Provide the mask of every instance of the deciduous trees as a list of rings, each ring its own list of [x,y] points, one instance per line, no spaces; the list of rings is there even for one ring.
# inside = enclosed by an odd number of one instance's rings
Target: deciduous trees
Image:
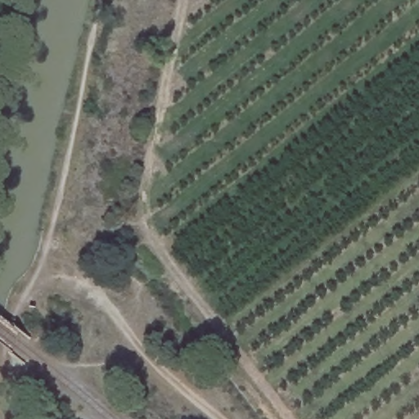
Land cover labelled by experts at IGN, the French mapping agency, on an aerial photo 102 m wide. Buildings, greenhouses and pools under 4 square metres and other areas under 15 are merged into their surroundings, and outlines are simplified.
[[[414,209],[414,213],[409,214],[408,218],[394,224],[390,232],[385,234],[386,244],[391,246],[393,237],[403,237],[404,231],[408,231],[412,228],[412,223],[419,221],[419,208]]]
[[[419,419],[419,396],[412,398],[403,408],[399,408],[394,419]]]
[[[61,295],[51,295],[47,298],[47,314],[72,314],[70,301],[62,300]]]
[[[368,280],[363,280],[349,295],[340,300],[342,311],[350,311],[352,304],[360,300],[360,296],[367,295],[372,286],[378,286],[390,278],[386,268],[380,268],[380,272],[373,273]]]
[[[149,288],[160,308],[164,309],[157,318],[164,322],[164,329],[152,334],[144,332],[144,339],[144,347],[149,357],[154,358],[159,365],[170,368],[172,372],[182,372],[188,385],[198,390],[219,388],[223,381],[229,380],[231,373],[239,365],[239,360],[232,358],[228,344],[221,342],[219,336],[214,334],[201,337],[198,342],[182,344],[183,334],[190,331],[191,327],[200,326],[206,319],[198,313],[191,300],[180,300],[175,291],[170,290],[162,278],[164,265],[160,264],[157,255],[149,246],[139,239],[136,229],[133,226],[123,226],[118,231],[98,231],[92,241],[80,249],[79,268],[82,272],[83,277],[90,278],[95,285],[105,288],[124,290],[131,285],[133,277],[141,280],[144,286]]]
[[[383,401],[390,401],[391,394],[399,393],[401,386],[408,385],[409,373],[404,373],[396,383],[391,383],[388,388],[381,391],[380,396],[372,399],[373,409],[380,408]]]
[[[360,363],[362,357],[367,357],[388,337],[394,336],[399,326],[408,324],[408,318],[404,314],[399,314],[391,319],[388,326],[381,327],[380,331],[375,332],[363,344],[362,349],[350,352],[347,357],[340,360],[339,365],[334,365],[319,380],[314,381],[313,388],[304,390],[304,403],[311,403],[313,398],[322,396],[326,388],[331,388],[332,383],[339,380],[340,373],[349,372],[352,365]]]
[[[198,8],[196,13],[187,16],[191,28],[185,29],[180,43],[173,43],[170,36],[152,36],[146,41],[137,36],[134,39],[134,49],[141,51],[142,59],[162,72],[164,65],[169,65],[182,75],[187,85],[173,92],[173,103],[165,111],[164,123],[157,123],[155,115],[151,119],[133,118],[129,124],[128,134],[131,134],[137,146],[146,147],[152,134],[170,131],[173,137],[172,141],[155,147],[155,154],[164,160],[167,175],[154,173],[151,191],[147,193],[149,200],[142,201],[139,196],[139,183],[144,165],[141,167],[134,164],[134,159],[129,155],[119,155],[113,162],[103,157],[100,162],[101,178],[97,183],[106,206],[137,196],[139,201],[136,214],[139,216],[152,209],[154,216],[149,219],[149,224],[152,224],[159,234],[164,234],[167,244],[172,247],[173,259],[177,260],[178,264],[185,265],[188,275],[195,278],[206,303],[216,311],[214,318],[226,318],[236,313],[237,309],[244,308],[247,303],[254,300],[259,291],[267,290],[273,282],[277,282],[283,272],[288,272],[291,267],[306,259],[309,252],[318,249],[319,244],[327,236],[344,229],[345,224],[375,203],[378,196],[390,191],[399,180],[409,177],[419,167],[419,0],[208,0],[205,7]]]
[[[381,376],[390,372],[398,360],[408,357],[412,349],[419,345],[419,334],[401,345],[394,354],[388,355],[383,362],[370,368],[367,375],[358,378],[349,388],[337,394],[326,408],[319,411],[321,419],[327,419],[342,409],[347,401],[354,401],[358,394],[370,390]]]
[[[290,381],[298,383],[300,376],[306,376],[308,368],[318,367],[319,363],[324,362],[336,350],[336,347],[344,345],[345,340],[352,339],[355,332],[362,331],[368,322],[375,321],[376,314],[380,314],[386,306],[398,300],[404,291],[411,290],[412,285],[419,283],[419,270],[412,273],[412,277],[404,278],[401,285],[393,286],[380,300],[373,303],[367,313],[357,316],[355,321],[347,322],[347,326],[337,332],[336,336],[329,337],[326,344],[319,347],[318,352],[308,355],[303,362],[298,363],[295,368],[290,368],[288,372]]]
[[[295,354],[296,350],[301,349],[303,342],[313,339],[314,334],[318,334],[322,327],[331,324],[331,311],[324,311],[321,318],[314,319],[309,326],[296,332],[296,336],[288,340],[285,347],[280,347],[280,350],[262,360],[267,363],[268,370],[280,367],[283,358]]]
[[[65,355],[69,362],[79,360],[83,347],[82,334],[70,334],[67,327],[61,327],[57,331],[43,331],[41,322],[44,316],[38,311],[23,311],[18,314],[18,318],[23,322],[21,329],[28,336],[38,336],[47,354]]]
[[[247,316],[239,319],[237,331],[232,332],[232,336],[242,334],[247,324],[252,324],[259,316],[264,316],[267,309],[273,308],[273,304],[283,301],[285,295],[298,288],[304,280],[311,278],[314,272],[318,272],[321,265],[331,264],[332,259],[340,254],[340,250],[349,246],[350,242],[357,241],[360,234],[367,234],[368,228],[373,228],[378,219],[388,218],[390,211],[396,209],[398,203],[388,200],[388,205],[381,206],[380,213],[372,214],[362,223],[355,223],[352,228],[354,231],[350,231],[349,236],[342,237],[339,244],[332,244],[321,257],[313,260],[313,264],[304,268],[303,273],[295,275],[285,288],[275,291],[275,295],[265,298],[255,311],[250,311]]]
[[[47,367],[43,363],[31,360],[26,365],[11,365],[10,362],[5,362],[0,368],[0,419],[80,419],[70,408],[70,399],[57,390],[54,376],[47,372]]]
[[[103,28],[98,33],[97,43],[93,47],[87,77],[87,97],[83,100],[82,111],[100,119],[105,118],[110,111],[105,101],[106,90],[111,90],[115,82],[106,74],[108,70],[103,69],[100,57],[106,52],[111,31],[123,25],[123,21],[116,20],[115,16],[101,10],[98,23]]]
[[[124,345],[118,345],[106,357],[105,365],[103,393],[108,399],[108,404],[118,412],[129,412],[133,419],[146,419],[146,409],[141,403],[141,396],[149,398],[157,390],[157,386],[147,381],[147,375],[142,358]]]
[[[336,290],[337,283],[345,282],[345,278],[354,273],[354,265],[347,262],[347,265],[337,270],[334,277],[329,278],[327,282],[319,283],[313,293],[304,296],[296,308],[290,309],[290,313],[283,314],[278,321],[270,322],[264,331],[260,331],[259,336],[252,340],[252,349],[259,349],[260,345],[268,344],[270,339],[280,336],[280,332],[291,326],[291,322],[298,321],[309,306],[313,306],[316,298],[326,296],[326,290]]]

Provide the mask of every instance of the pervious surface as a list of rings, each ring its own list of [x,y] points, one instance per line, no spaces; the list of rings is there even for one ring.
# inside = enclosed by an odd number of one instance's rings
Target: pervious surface
[[[198,8],[205,7],[208,0],[177,0],[173,13],[175,28],[170,36],[173,43],[180,43],[185,29],[191,28],[187,16],[196,13]]]
[[[155,147],[172,141],[173,137],[170,131],[152,134],[146,147],[144,165],[139,183],[139,196],[142,201],[149,200],[147,193],[151,191],[154,173],[167,175],[164,160],[155,154]]]
[[[77,290],[87,291],[87,298],[97,304],[98,308],[103,309],[111,321],[115,322],[119,332],[128,342],[124,345],[142,358],[147,375],[152,372],[167,381],[173,390],[182,394],[188,403],[193,404],[208,419],[228,419],[223,412],[214,408],[213,404],[209,404],[198,390],[188,385],[182,372],[172,372],[170,368],[159,365],[154,358],[149,357],[144,347],[144,339],[137,336],[121,311],[106,296],[105,288],[95,285],[90,278],[83,277],[82,272],[79,275],[61,273],[62,282],[74,283]]]
[[[129,412],[118,412],[108,404],[108,399],[103,393],[105,365],[101,362],[79,360],[69,362],[65,355],[47,354],[38,336],[28,336],[21,329],[0,316],[0,368],[5,362],[10,362],[11,365],[26,365],[31,360],[43,363],[47,367],[47,372],[54,376],[57,390],[70,399],[70,408],[80,419],[133,419]]]
[[[149,246],[157,255],[160,264],[164,265],[162,278],[170,290],[175,291],[180,300],[191,300],[198,313],[206,319],[214,318],[216,311],[206,303],[195,278],[188,275],[185,265],[178,264],[177,260],[173,259],[172,247],[167,244],[164,234],[159,234],[152,224],[149,224],[149,219],[154,216],[152,209],[139,216],[139,226],[136,229],[139,239]]]
[[[254,350],[241,352],[239,360],[239,365],[249,375],[246,380],[246,391],[242,396],[252,408],[264,412],[267,419],[296,419],[293,409],[286,408],[282,399],[278,398],[277,391],[268,385],[264,373],[259,372]]]
[[[155,97],[155,115],[157,123],[164,123],[165,111],[173,103],[173,92],[187,85],[182,75],[169,65],[164,65],[162,72]]]
[[[77,105],[70,126],[61,177],[57,183],[51,221],[43,244],[43,254],[39,257],[38,267],[21,293],[20,300],[25,303],[31,301],[31,291],[38,282],[43,268],[46,267],[49,250],[61,247],[61,241],[54,241],[54,231],[61,213],[65,182],[69,175],[70,159],[74,152],[75,136],[82,111],[83,100],[87,97],[87,77],[93,47],[97,43],[98,33],[103,28],[98,23],[93,23],[88,33]]]

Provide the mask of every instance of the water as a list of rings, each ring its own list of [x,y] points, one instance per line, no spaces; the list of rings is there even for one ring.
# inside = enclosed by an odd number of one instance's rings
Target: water
[[[54,165],[56,128],[64,111],[70,72],[79,51],[87,0],[41,0],[47,10],[47,16],[38,21],[36,43],[39,52],[29,65],[29,69],[41,77],[41,87],[38,90],[26,90],[25,100],[28,100],[28,105],[33,110],[33,121],[18,121],[18,134],[25,141],[25,149],[20,152],[11,151],[13,165],[20,167],[21,175],[18,187],[8,190],[11,198],[15,198],[15,208],[3,221],[2,231],[3,234],[10,232],[11,241],[8,249],[0,252],[0,304],[2,304],[5,303],[11,286],[26,272],[26,268],[33,260],[34,252],[38,249],[46,208],[47,178]]]

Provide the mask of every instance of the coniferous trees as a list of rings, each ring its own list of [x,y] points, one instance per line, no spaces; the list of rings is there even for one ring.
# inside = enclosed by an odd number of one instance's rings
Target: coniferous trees
[[[28,100],[25,100],[26,90],[38,90],[41,87],[41,77],[29,69],[29,65],[39,52],[36,43],[38,21],[47,16],[47,10],[41,0],[0,0],[0,252],[8,249],[11,241],[10,232],[3,234],[2,231],[3,221],[15,208],[15,198],[11,198],[8,190],[18,187],[21,175],[20,167],[13,165],[11,151],[20,152],[25,149],[25,141],[18,134],[18,121],[33,121],[33,110],[28,105]]]

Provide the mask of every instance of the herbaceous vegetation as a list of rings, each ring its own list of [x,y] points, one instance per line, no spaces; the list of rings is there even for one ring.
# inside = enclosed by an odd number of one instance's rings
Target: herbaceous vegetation
[[[103,309],[98,308],[97,304],[87,298],[87,291],[77,290],[74,283],[62,282],[61,273],[79,275],[82,272],[79,268],[80,249],[92,241],[98,231],[118,231],[123,226],[133,226],[136,229],[139,226],[139,216],[136,214],[139,201],[137,196],[106,206],[97,183],[101,178],[100,162],[103,157],[113,162],[119,155],[129,155],[134,159],[134,164],[141,167],[144,165],[146,147],[137,146],[131,134],[128,134],[129,124],[133,118],[151,119],[155,115],[155,97],[162,72],[142,59],[141,51],[134,49],[134,39],[137,36],[146,41],[152,36],[170,36],[175,28],[173,13],[177,0],[97,0],[92,11],[101,10],[115,16],[116,20],[123,21],[123,25],[111,31],[106,52],[100,57],[103,69],[108,70],[106,74],[115,82],[111,90],[106,90],[105,101],[110,111],[105,118],[100,119],[82,111],[75,136],[74,152],[70,159],[69,175],[65,182],[61,213],[54,231],[54,241],[61,241],[61,247],[49,250],[46,267],[43,268],[38,282],[31,291],[31,301],[25,303],[20,300],[16,301],[10,311],[3,308],[2,304],[0,304],[0,316],[21,329],[23,322],[18,318],[18,314],[23,311],[38,311],[44,316],[41,322],[43,331],[57,331],[61,327],[67,327],[70,334],[82,334],[83,347],[79,360],[101,362],[105,365],[106,357],[118,345],[124,345],[128,342],[119,332],[115,322],[111,321]],[[47,298],[51,295],[61,295],[62,300],[70,301],[72,314],[47,314]]]
[[[214,408],[223,412],[228,419],[267,419],[264,412],[252,408],[242,396],[246,391],[246,380],[249,375],[239,365],[231,373],[229,380],[223,381],[219,388],[198,390],[209,404],[213,404]]]
[[[147,375],[147,381],[157,386],[157,390],[149,398],[141,396],[141,403],[146,409],[146,419],[208,419],[193,404],[188,403],[182,394],[173,390],[167,381],[152,372]]]
[[[321,257],[332,244],[339,244],[342,237],[349,236],[350,231],[354,231],[352,228],[355,223],[362,223],[372,214],[380,213],[381,206],[388,205],[388,200],[398,203],[396,209],[390,211],[388,218],[378,219],[373,228],[368,228],[367,234],[360,234],[357,241],[350,242],[349,246],[340,250],[340,254],[332,259],[331,264],[321,265],[318,272],[314,272],[311,278],[304,280],[298,288],[285,295],[283,301],[273,304],[273,308],[267,309],[264,316],[259,316],[252,324],[247,324],[242,334],[232,336],[232,332],[237,331],[239,319],[247,316],[250,311],[255,311],[265,298],[275,295],[275,291],[285,288],[295,275],[303,273],[304,268],[313,264],[313,260]],[[398,300],[386,306],[380,314],[376,314],[375,321],[368,322],[362,331],[355,332],[352,339],[345,340],[344,345],[336,347],[336,350],[324,362],[319,363],[318,367],[308,368],[306,376],[300,376],[298,383],[290,381],[288,372],[290,368],[295,368],[298,363],[303,362],[308,355],[318,352],[319,347],[326,344],[329,337],[336,336],[337,332],[347,326],[347,322],[355,321],[357,316],[367,313],[373,303],[380,300],[393,286],[401,285],[404,278],[412,277],[412,273],[419,270],[419,221],[412,223],[412,228],[408,231],[404,231],[403,237],[393,237],[391,246],[386,244],[385,234],[390,232],[394,224],[408,218],[409,214],[414,213],[414,209],[419,208],[419,167],[409,177],[399,180],[390,191],[378,196],[375,203],[345,224],[344,229],[327,236],[319,244],[318,249],[309,252],[306,259],[291,267],[288,272],[283,272],[277,282],[273,282],[267,290],[259,291],[254,300],[247,303],[244,308],[237,309],[236,313],[226,318],[214,318],[206,319],[200,326],[191,327],[190,331],[183,334],[182,344],[198,342],[201,337],[214,334],[219,336],[221,342],[228,344],[232,358],[239,360],[241,352],[254,350],[259,372],[264,373],[268,385],[277,391],[278,398],[282,399],[286,408],[293,409],[296,419],[321,419],[319,411],[326,408],[337,394],[349,388],[358,378],[367,375],[370,368],[383,362],[388,355],[394,354],[401,345],[419,334],[419,283],[412,285],[411,290],[404,291]],[[309,306],[298,321],[291,322],[291,326],[280,332],[280,336],[270,339],[268,344],[260,345],[259,349],[252,349],[252,340],[259,336],[260,331],[264,331],[270,322],[278,321],[283,314],[290,313],[290,309],[296,308],[304,296],[313,293],[319,283],[327,282],[329,278],[334,277],[337,270],[347,265],[347,262],[354,265],[354,273],[345,278],[345,282],[337,283],[336,290],[326,290],[326,296],[316,298],[313,306]],[[378,286],[372,286],[367,295],[360,296],[360,300],[352,304],[350,311],[342,311],[340,300],[349,295],[363,280],[368,280],[373,273],[380,272],[380,268],[386,268],[390,278]],[[268,370],[267,363],[262,360],[280,350],[280,347],[285,347],[288,340],[296,336],[296,332],[309,326],[314,319],[321,318],[324,311],[331,311],[331,324],[322,327],[318,334],[314,334],[313,339],[303,342],[301,349],[296,350],[295,354],[283,358],[280,367]],[[375,332],[380,331],[381,327],[388,326],[391,319],[399,314],[404,314],[408,318],[408,324],[399,326],[394,336],[388,337],[367,357],[362,357],[360,363],[352,365],[349,372],[340,373],[339,380],[332,383],[331,388],[326,388],[322,396],[313,398],[311,403],[304,403],[304,390],[313,388],[314,381],[319,380],[334,365],[339,365],[340,360],[347,357],[350,352],[362,349],[363,344]]]
[[[124,290],[105,288],[106,296],[121,311],[137,336],[144,339],[144,332],[152,334],[164,329],[164,322],[157,318],[164,309],[160,308],[149,288],[144,286],[141,280],[133,277],[131,285]]]
[[[380,408],[373,409],[372,399],[380,396],[381,391],[388,388],[391,383],[396,383],[404,373],[409,373],[408,385],[401,386],[399,393],[391,394],[390,401],[383,401]],[[408,357],[398,360],[390,372],[381,376],[370,390],[358,394],[354,401],[347,401],[342,409],[327,419],[394,419],[399,408],[403,408],[412,398],[419,396],[419,345],[412,349]]]

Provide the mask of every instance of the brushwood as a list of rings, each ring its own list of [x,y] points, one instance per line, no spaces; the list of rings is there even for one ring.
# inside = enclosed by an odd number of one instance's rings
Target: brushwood
[[[5,303],[2,304],[3,308],[10,311],[16,301],[20,300],[21,293],[38,267],[39,257],[43,254],[43,244],[51,221],[57,183],[61,177],[70,126],[77,105],[88,33],[93,23],[98,23],[101,10],[92,11],[97,0],[87,0],[79,51],[70,72],[64,111],[56,128],[54,165],[47,178],[46,208],[38,249],[34,252],[33,260],[26,268],[26,272],[11,286]]]

